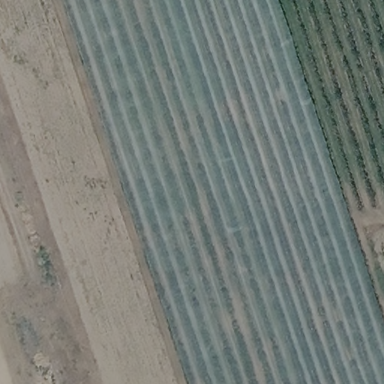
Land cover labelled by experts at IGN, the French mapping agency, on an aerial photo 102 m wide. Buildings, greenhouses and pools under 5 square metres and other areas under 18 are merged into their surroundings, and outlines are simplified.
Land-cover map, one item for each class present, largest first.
<instances>
[{"label":"deciduous trees","instance_id":"1","mask_svg":"<svg viewBox=\"0 0 384 384\"><path fill-rule=\"evenodd\" d=\"M117 145L118 156L126 171L127 181L121 184V192L126 196L133 226L141 241L145 267L154 285L162 282L165 289L195 384H384V312L373 285L366 253L361 247L352 214L363 211L361 193L367 192L370 205L375 208L376 195L384 192V0H69Z\"/></svg>","mask_w":384,"mask_h":384},{"label":"agricultural land","instance_id":"2","mask_svg":"<svg viewBox=\"0 0 384 384\"><path fill-rule=\"evenodd\" d=\"M127 181L126 171L118 156L117 145L69 0H0V384H186L154 285L145 267L141 241L133 226L126 196L121 192V184ZM39 246H45L49 255L51 274H54L57 282L55 286L49 285L45 277H42L43 267L37 268L34 265V255L39 252ZM363 211L352 214L361 247L366 253L373 285L384 312V192L376 195L375 208L370 205L367 192L361 193Z\"/></svg>","mask_w":384,"mask_h":384},{"label":"herbaceous vegetation","instance_id":"3","mask_svg":"<svg viewBox=\"0 0 384 384\"><path fill-rule=\"evenodd\" d=\"M186 384H195L165 289L162 282L154 285Z\"/></svg>","mask_w":384,"mask_h":384},{"label":"brushwood","instance_id":"4","mask_svg":"<svg viewBox=\"0 0 384 384\"><path fill-rule=\"evenodd\" d=\"M34 265L37 268L43 267L42 277H45L49 285L55 286L57 282L54 274H51L49 255L45 246H39V252L34 255Z\"/></svg>","mask_w":384,"mask_h":384}]
</instances>
